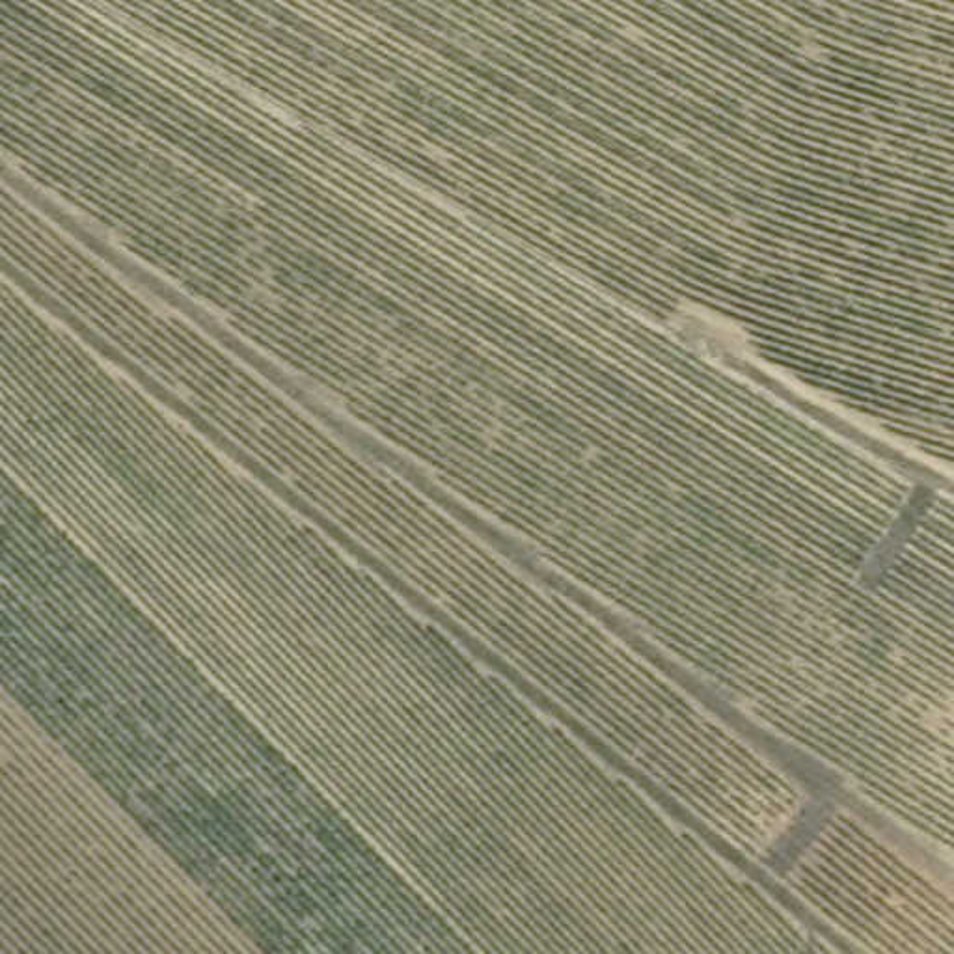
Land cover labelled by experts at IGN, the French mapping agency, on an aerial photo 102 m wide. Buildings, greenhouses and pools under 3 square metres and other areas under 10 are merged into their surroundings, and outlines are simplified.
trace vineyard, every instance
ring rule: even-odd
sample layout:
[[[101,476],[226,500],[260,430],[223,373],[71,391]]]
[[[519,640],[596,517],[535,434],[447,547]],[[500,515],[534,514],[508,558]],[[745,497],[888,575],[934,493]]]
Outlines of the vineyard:
[[[0,0],[0,954],[954,954],[954,0]]]

